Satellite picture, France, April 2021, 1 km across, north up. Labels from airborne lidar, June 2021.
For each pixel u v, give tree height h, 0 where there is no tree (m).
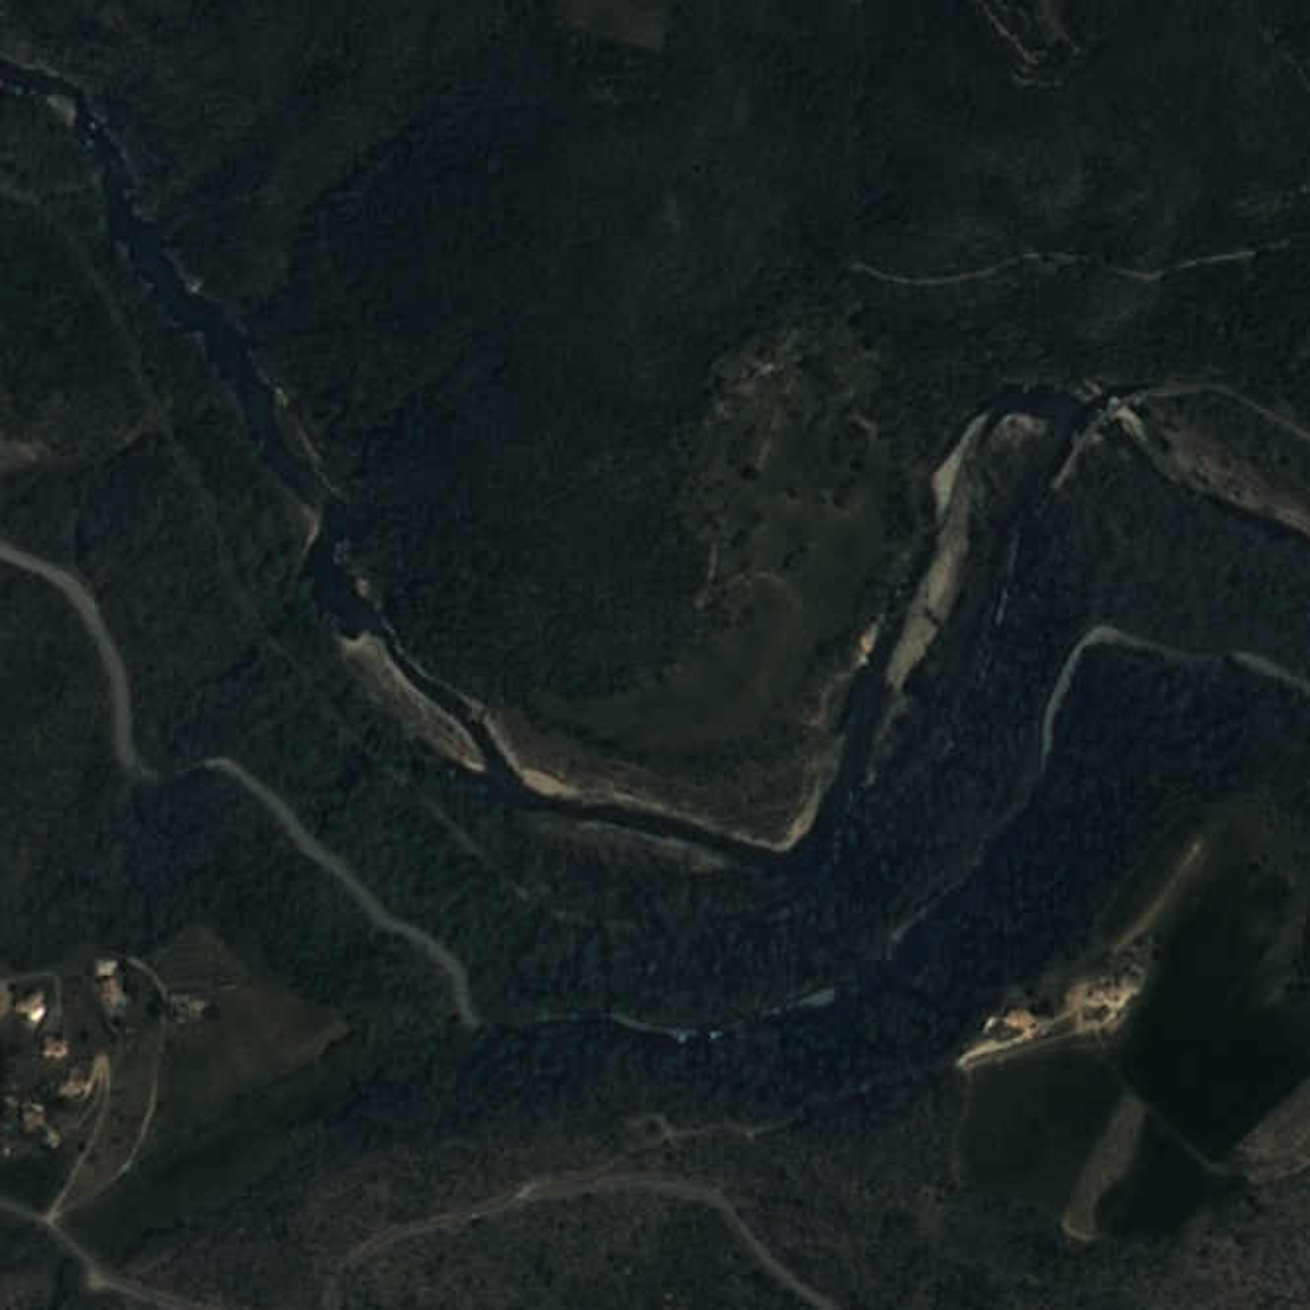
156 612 16
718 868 0
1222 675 13
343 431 19
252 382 0
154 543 6
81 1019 0
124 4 6
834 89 7
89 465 11
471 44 6
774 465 0
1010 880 8
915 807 14
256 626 11
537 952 27
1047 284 11
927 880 22
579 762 9
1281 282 10
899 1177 6
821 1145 7
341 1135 6
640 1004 18
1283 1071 0
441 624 12
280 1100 0
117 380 6
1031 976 7
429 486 8
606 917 15
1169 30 6
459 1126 7
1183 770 6
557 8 7
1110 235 15
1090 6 10
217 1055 0
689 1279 16
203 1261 7
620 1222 10
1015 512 13
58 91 0
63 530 14
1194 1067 0
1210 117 6
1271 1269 11
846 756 0
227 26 8
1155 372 7
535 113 8
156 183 7
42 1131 8
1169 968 0
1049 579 10
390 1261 8
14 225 8
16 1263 13
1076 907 9
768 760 11
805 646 0
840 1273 7
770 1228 12
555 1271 12
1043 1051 0
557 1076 7
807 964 16
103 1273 0
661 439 10
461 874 9
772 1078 9
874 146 6
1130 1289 6
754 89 9
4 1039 0
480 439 9
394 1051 20
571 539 8
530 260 8
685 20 7
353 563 8
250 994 0
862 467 12
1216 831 0
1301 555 15
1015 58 6
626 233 8
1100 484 9
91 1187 0
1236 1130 0
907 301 8
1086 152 9
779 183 8
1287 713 8
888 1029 14
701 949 9
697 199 6
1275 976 0
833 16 7
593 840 0
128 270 9
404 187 12
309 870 8
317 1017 0
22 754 5
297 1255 8
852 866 10
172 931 6
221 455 9
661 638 9
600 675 10
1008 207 7
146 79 6
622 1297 18
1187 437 7
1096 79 6
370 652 0
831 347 6
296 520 13
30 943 11
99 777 11
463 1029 15
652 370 9
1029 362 12
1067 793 14
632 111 8
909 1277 8
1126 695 9
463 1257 12
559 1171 7
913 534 37
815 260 12
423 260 8
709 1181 9
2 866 6
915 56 8
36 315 9
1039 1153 0
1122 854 9
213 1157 0
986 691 22
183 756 19
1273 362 10
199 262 8
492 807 14
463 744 0
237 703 12
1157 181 7
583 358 9
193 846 10
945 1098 6
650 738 0
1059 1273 6
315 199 9
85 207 6
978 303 11
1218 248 8
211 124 7
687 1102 8
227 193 8
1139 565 25
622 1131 9
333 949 7
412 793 11
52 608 9
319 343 11
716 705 0
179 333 8
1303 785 8
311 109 6
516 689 11
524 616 6
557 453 7
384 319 11
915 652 0
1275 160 7
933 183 9
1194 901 0
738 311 11
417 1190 8
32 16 9
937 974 13
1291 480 14
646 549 7
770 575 0
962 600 11
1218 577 24
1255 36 12
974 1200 12
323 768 11
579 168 7
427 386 6
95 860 11
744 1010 14
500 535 9
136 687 10
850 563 0
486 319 10
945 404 16
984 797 22
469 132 11
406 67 7
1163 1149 0
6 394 6
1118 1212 0
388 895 16
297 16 10
